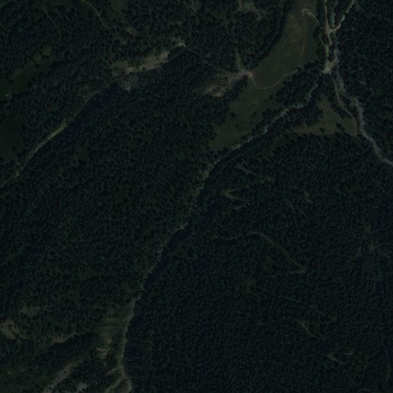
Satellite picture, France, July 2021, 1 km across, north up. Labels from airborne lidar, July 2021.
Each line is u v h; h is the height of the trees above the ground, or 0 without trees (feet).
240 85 38
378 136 90
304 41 0
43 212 87
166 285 102
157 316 69
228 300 69
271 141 104
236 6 71
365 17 44
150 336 56
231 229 99
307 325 36
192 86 52
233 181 97
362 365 31
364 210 92
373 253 38
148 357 76
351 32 48
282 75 0
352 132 0
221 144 0
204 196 47
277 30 61
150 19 75
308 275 42
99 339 45
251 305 83
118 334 21
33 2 75
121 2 0
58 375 0
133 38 69
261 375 30
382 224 66
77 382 63
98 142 73
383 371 64
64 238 71
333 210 79
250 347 53
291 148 104
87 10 0
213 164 62
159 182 97
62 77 80
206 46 57
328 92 98
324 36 39
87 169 76
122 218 99
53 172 98
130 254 41
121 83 0
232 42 78
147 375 76
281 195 44
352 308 58
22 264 63
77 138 58
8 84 0
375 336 75
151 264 40
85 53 89
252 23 84
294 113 83
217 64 40
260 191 102
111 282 43
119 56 68
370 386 72
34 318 59
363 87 34
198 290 67
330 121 0
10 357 93
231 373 54
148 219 103
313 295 76
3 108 100
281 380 48
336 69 32
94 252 38
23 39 88
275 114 93
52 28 34
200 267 90
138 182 76
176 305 59
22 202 89
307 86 85
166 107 83
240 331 54
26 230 118
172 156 89
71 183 84
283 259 92
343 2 83
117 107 31
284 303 84
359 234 42
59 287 79
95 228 88
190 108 72
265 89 0
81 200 49
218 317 68
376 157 30
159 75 27
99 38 66
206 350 62
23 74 0
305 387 29
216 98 34
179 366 57
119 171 56
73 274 67
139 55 59
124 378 0
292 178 79
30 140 93
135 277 62
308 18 0
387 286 75
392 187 58
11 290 25
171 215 115
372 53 52
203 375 55
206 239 86
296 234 96
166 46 72
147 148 94
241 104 0
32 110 100
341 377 95
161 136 84
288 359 47
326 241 97
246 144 20
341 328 80
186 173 92
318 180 38
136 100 72
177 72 40
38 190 110
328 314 52
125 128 67
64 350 115
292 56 0
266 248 96
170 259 83
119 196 0
